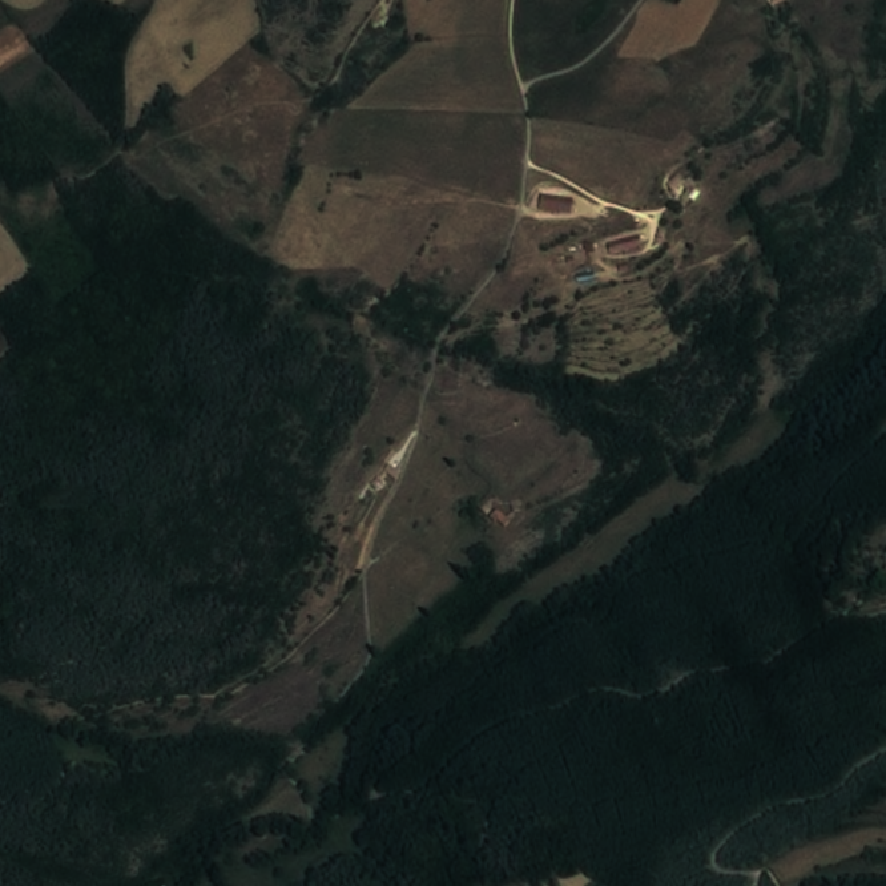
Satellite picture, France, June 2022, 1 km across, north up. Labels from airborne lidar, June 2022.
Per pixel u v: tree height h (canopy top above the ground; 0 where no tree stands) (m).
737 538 15
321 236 0
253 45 7
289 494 6
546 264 0
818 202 6
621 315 0
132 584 16
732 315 14
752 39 0
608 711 11
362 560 0
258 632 15
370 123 0
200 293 9
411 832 11
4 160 7
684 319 12
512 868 14
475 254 0
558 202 0
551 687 14
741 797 18
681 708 12
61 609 10
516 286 0
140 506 18
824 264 6
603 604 18
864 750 13
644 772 13
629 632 14
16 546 15
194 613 15
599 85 0
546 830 16
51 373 7
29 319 11
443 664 12
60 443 11
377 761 22
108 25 10
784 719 13
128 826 11
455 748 13
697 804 17
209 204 0
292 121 0
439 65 0
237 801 11
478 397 0
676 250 0
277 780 18
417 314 8
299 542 8
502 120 0
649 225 0
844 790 12
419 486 0
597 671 12
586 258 0
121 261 9
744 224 0
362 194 0
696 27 0
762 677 13
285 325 11
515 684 16
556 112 0
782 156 0
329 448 7
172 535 9
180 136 0
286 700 0
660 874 11
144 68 0
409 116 0
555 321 10
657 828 16
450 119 0
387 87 0
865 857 9
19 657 7
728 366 16
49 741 23
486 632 0
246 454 7
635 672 15
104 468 15
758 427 0
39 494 8
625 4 0
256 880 0
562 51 0
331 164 0
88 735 16
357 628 0
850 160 8
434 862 9
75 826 10
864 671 14
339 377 8
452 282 0
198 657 12
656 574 14
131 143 8
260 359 10
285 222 0
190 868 7
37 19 0
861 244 9
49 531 15
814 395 20
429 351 8
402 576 0
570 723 13
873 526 20
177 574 17
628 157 0
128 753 17
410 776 17
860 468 14
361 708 22
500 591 12
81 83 7
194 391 12
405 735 26
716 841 11
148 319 13
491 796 10
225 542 7
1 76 0
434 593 0
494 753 15
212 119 0
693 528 17
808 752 10
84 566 14
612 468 7
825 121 6
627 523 0
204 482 12
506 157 0
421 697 15
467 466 0
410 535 0
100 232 7
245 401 7
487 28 0
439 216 0
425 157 0
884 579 18
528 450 0
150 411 11
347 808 17
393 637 0
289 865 0
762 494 12
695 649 14
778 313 8
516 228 0
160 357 16
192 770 9
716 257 0
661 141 0
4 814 13
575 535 8
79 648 12
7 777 22
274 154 0
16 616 6
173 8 0
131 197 6
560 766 17
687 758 10
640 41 0
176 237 6
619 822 13
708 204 0
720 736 14
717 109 0
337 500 0
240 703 0
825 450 13
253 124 0
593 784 15
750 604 13
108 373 12
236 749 15
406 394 0
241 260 6
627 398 8
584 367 10
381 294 7
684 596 15
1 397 12
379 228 0
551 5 0
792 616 9
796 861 0
